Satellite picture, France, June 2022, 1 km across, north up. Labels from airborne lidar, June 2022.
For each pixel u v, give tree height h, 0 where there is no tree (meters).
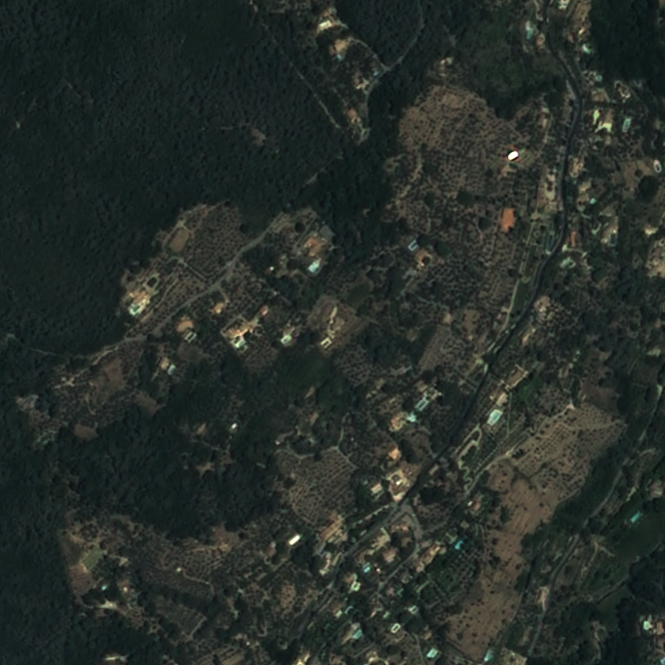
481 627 0
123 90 18
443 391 23
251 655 9
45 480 25
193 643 7
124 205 14
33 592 12
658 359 8
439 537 6
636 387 7
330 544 10
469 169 5
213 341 7
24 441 11
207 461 14
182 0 14
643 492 11
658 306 8
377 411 6
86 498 14
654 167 0
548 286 17
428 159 5
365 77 6
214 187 10
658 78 21
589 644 16
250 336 6
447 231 5
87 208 12
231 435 7
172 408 14
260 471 15
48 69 15
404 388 7
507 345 8
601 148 11
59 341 7
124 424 10
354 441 6
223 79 14
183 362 6
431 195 15
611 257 14
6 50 12
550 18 0
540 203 0
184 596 11
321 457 12
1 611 17
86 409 7
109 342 11
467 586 6
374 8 17
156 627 6
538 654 16
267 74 15
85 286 15
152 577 6
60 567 20
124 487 20
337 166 14
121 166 11
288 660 23
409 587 12
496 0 6
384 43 11
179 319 6
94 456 21
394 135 15
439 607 11
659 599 22
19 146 8
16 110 11
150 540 6
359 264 17
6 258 8
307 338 22
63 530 28
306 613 6
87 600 22
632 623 16
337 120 8
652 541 0
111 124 13
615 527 12
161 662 17
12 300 19
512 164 6
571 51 8
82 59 10
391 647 15
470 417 17
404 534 5
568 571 11
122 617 19
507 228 0
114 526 6
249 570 6
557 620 12
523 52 9
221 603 15
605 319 7
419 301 6
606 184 7
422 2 8
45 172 10
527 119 13
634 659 17
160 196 9
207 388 7
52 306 9
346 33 12
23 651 9
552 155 6
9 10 21
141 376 10
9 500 16
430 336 6
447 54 11
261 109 18
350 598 10
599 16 12
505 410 5
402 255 7
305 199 18
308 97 9
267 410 6
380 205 18
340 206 21
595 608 20
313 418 0
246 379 6
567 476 6
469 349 5
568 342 11
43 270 7
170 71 14
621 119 5
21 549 17
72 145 15
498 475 0
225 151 10
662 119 6
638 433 7
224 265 12
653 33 19
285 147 9
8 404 21
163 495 12
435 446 15
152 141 10
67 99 14
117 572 18
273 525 6
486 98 11
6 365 18
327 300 0
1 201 14
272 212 7
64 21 16
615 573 0
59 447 20
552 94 13
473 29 13
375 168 20
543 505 6
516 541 0
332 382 16
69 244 11
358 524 7
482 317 6
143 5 12
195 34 10
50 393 26
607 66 11
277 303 7
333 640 8
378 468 13
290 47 19
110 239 11
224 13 11
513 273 17
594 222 12
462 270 6
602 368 0
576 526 9
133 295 0
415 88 13
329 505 9
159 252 16
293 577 7
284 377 7
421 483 13
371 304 5
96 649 12
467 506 7
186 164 13
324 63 23
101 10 12
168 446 12
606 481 7
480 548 16
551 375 7
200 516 11
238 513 7
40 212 12
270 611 6
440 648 9
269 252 9
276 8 6
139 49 11
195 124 6
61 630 21
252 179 11
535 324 6
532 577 15
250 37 12
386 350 18
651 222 6
